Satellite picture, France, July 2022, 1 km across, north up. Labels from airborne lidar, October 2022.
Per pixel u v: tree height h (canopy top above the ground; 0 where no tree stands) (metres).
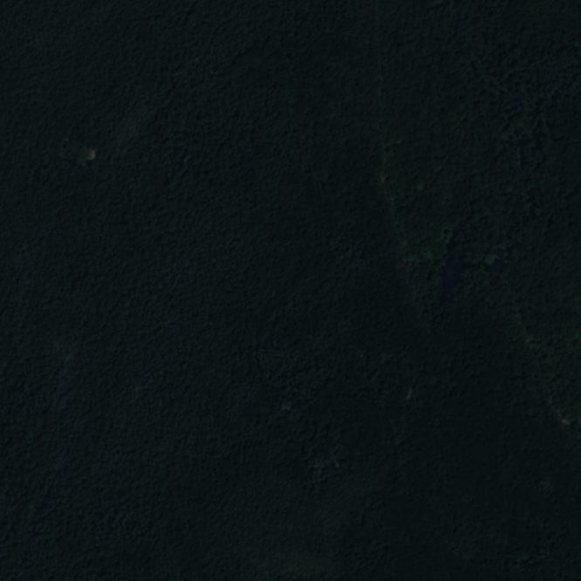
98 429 13
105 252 14
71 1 11
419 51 25
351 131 26
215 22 18
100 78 16
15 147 11
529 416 19
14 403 17
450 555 18
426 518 22
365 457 19
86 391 16
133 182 11
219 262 12
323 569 7
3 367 16
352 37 23
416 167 25
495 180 23
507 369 21
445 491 18
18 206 15
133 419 12
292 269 19
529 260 25
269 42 30
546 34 13
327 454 26
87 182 15
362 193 23
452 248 26
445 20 25
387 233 17
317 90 28
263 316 22
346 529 21
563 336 30
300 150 26
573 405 32
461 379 28
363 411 23
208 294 11
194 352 16
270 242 18
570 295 22
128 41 17
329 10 23
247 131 16
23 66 13
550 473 27
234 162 16
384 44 22
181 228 14
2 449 12
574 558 26
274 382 24
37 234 9
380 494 27
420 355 25
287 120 19
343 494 9
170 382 9
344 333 18
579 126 35
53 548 19
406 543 18
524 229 38
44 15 10
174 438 14
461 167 30
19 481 13
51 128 12
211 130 21
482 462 25
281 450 17
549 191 38
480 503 15
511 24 12
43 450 18
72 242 15
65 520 13
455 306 20
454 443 26
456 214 30
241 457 20
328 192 25
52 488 12
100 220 10
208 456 15
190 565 20
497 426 22
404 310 18
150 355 12
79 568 17
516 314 54
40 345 14
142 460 12
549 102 18
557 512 23
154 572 18
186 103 18
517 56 23
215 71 12
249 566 9
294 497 16
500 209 38
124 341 15
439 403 31
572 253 24
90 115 16
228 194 17
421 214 24
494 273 47
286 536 10
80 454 15
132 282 14
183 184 19
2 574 17
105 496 16
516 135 15
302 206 27
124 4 11
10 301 12
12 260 17
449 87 26
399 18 21
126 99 16
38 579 17
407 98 19
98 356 12
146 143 12
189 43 19
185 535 17
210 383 15
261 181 19
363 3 21
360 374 23
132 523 16
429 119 26
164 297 10
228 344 14
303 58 31
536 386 19
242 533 7
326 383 26
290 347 25
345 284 26
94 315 14
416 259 16
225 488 20
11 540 19
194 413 15
